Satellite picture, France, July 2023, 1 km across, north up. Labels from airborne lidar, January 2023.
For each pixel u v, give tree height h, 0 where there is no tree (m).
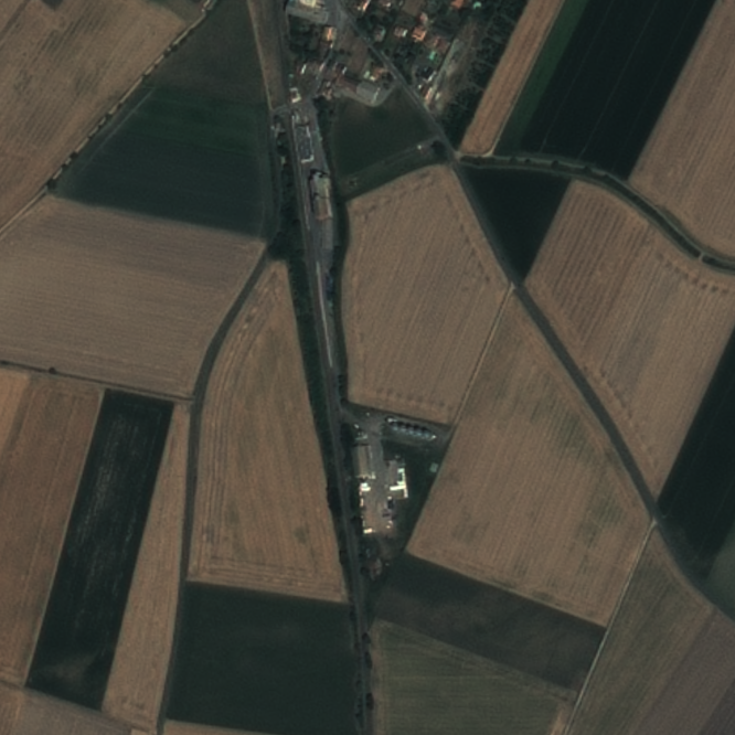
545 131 0
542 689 0
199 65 0
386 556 0
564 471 0
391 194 0
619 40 0
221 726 0
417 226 0
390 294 0
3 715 0
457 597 0
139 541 0
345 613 0
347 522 0
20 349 0
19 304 0
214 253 0
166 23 0
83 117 0
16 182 0
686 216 0
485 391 0
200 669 0
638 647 0
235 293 0
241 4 0
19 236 0
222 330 0
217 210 0
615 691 0
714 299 0
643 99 0
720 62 0
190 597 0
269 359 0
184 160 0
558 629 0
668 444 0
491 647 0
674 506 0
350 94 0
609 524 0
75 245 0
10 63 0
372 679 0
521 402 0
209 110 0
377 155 0
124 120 0
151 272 0
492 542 0
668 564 0
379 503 0
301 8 0
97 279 0
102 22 0
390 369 0
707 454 0
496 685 0
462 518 0
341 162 0
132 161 0
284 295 0
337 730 0
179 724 0
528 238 0
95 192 0
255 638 0
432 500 0
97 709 0
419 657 0
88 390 0
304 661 0
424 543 0
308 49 9
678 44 0
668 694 0
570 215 0
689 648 0
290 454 0
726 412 0
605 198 0
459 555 0
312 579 0
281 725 0
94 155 0
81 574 0
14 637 0
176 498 0
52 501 0
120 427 0
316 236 0
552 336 0
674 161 0
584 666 0
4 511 0
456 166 0
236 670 0
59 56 0
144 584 0
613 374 0
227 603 0
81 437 0
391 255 0
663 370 0
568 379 0
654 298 0
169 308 0
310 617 0
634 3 0
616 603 0
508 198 0
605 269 0
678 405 0
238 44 0
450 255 0
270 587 0
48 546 0
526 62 0
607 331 0
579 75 0
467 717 0
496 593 0
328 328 0
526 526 0
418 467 0
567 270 0
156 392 0
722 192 0
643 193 0
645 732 0
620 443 0
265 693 0
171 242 0
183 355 0
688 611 0
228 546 0
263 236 0
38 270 0
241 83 0
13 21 0
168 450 0
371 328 0
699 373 0
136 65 0
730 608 0
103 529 0
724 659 0
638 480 0
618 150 0
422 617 0
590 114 0
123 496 0
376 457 0
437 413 0
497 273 0
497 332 0
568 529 0
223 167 0
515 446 0
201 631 0
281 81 0
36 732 0
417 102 0
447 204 0
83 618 0
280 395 0
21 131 0
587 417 0
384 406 0
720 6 0
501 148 0
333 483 10
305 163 0
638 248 0
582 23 0
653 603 0
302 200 0
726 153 0
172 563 0
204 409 0
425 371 0
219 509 0
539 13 0
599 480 0
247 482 0
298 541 0
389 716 0
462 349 0
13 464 0
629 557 0
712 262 7
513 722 0
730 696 0
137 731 0
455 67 0
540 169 0
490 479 0
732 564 0
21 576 0
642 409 0
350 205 0
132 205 0
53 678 0
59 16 0
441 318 0
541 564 0
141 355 0
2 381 0
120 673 0
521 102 0
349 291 0
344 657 0
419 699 0
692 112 0
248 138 0
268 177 0
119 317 0
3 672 0
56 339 0
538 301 0
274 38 0
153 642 0
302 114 0
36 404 0
